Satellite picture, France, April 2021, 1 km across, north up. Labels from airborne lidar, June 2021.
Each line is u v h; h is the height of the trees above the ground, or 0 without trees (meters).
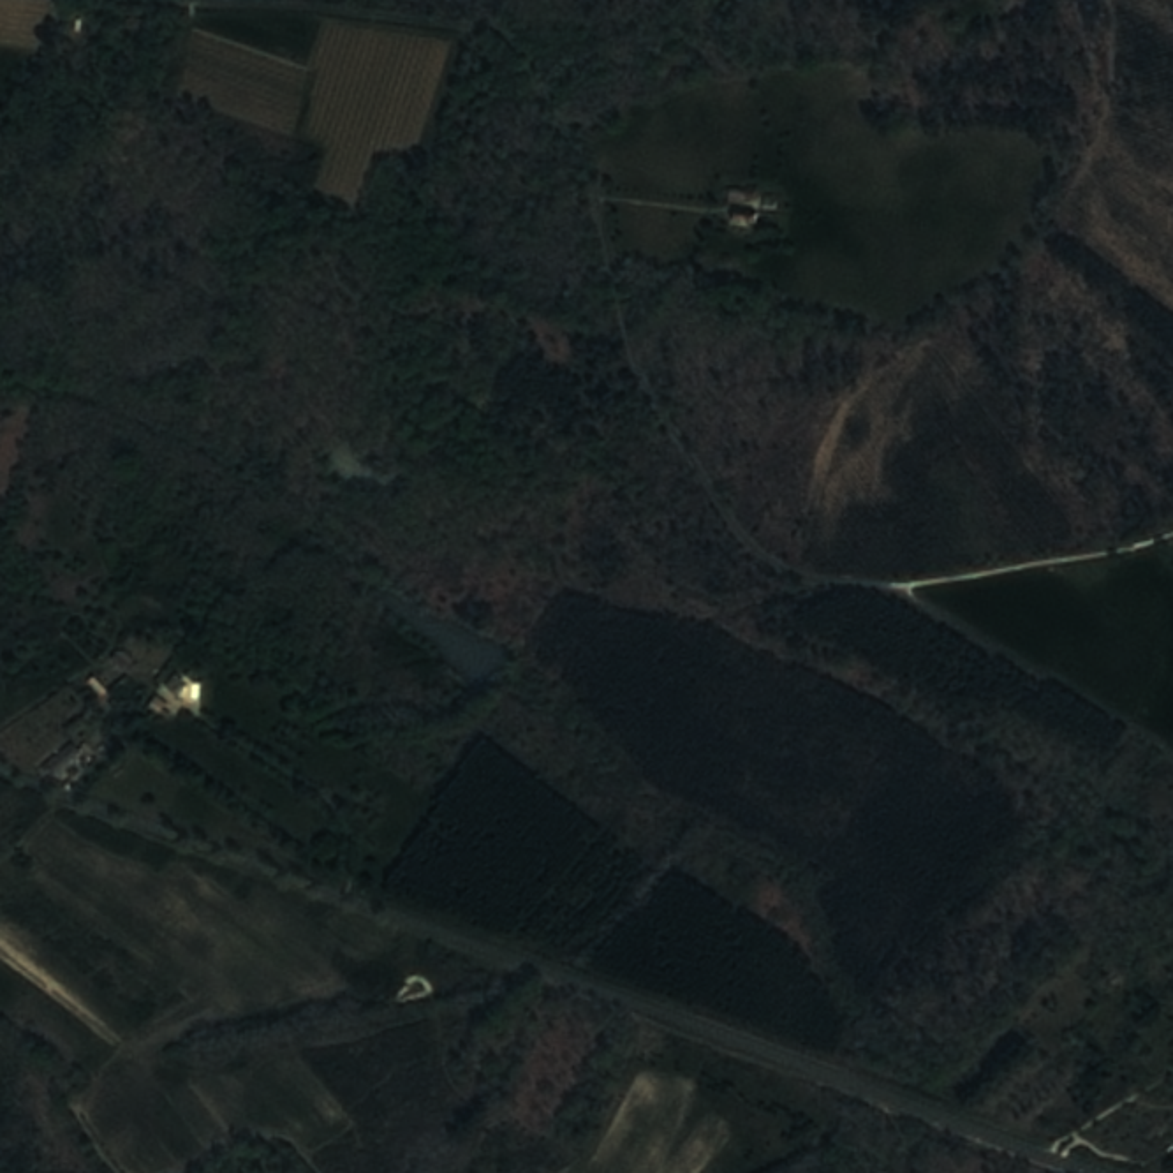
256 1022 9
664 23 14
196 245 8
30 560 10
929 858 11
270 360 14
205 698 0
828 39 13
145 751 10
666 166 0
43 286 21
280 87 0
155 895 0
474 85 13
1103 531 13
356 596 17
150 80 14
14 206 15
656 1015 0
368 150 0
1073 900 9
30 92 14
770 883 9
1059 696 14
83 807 16
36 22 0
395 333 11
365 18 0
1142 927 20
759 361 11
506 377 16
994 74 18
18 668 10
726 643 8
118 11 14
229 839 0
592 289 14
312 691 12
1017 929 13
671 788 9
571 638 10
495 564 16
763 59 11
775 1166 9
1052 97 17
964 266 0
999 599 0
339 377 13
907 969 13
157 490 18
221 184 7
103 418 13
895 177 0
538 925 11
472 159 10
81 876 0
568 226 10
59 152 12
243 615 14
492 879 14
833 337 15
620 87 22
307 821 0
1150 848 14
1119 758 13
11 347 21
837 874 8
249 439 16
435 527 13
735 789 8
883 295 0
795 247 9
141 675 0
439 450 8
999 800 11
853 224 0
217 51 0
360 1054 0
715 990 13
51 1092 19
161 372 18
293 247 13
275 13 0
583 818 12
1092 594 0
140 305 18
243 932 0
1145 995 11
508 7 10
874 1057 19
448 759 9
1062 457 20
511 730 8
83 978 0
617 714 10
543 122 12
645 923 15
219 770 0
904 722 10
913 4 19
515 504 11
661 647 11
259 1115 0
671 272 12
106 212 12
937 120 17
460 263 7
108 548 12
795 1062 0
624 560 8
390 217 13
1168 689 0
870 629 14
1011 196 0
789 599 11
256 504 11
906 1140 9
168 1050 6
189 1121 0
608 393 17
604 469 17
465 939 0
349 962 0
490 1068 13
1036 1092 16
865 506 6
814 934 8
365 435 15
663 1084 0
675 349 13
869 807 8
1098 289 15
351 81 0
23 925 0
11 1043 14
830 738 8
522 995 23
